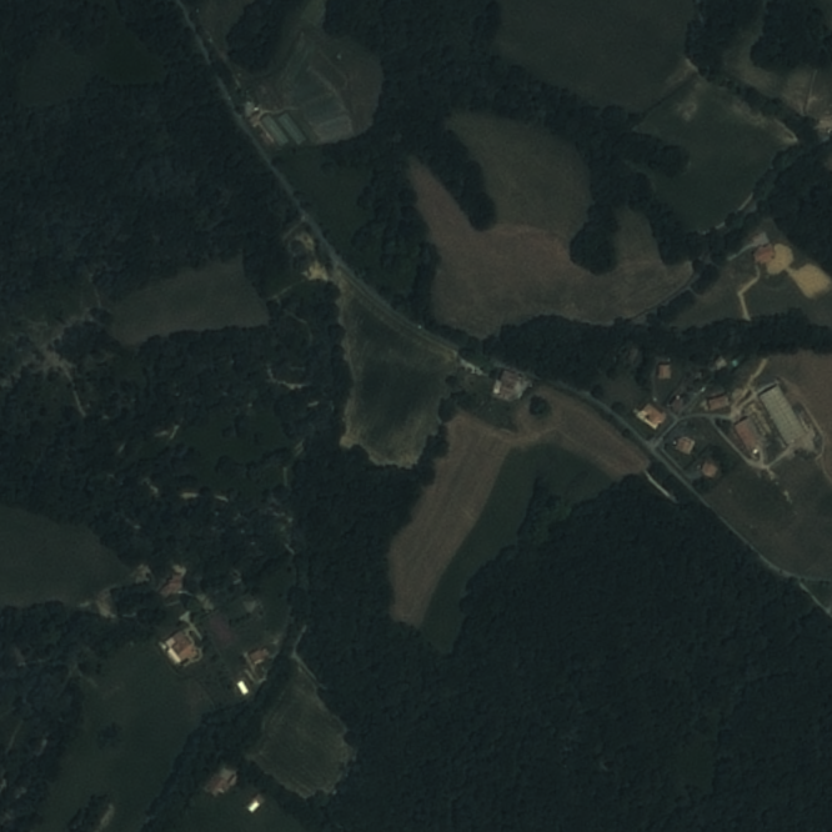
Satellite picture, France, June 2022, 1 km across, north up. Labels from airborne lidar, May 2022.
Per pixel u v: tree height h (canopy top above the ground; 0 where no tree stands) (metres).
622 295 0
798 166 18
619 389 0
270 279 13
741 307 0
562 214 0
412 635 18
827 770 19
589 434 0
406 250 21
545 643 17
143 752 0
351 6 23
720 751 14
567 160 0
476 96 17
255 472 18
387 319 0
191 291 0
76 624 20
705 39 20
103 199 12
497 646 26
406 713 26
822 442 0
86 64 0
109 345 22
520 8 0
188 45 13
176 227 17
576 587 19
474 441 0
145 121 9
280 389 15
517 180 0
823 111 0
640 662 20
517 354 23
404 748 26
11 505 7
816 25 23
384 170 18
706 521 21
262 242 16
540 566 28
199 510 24
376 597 21
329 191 0
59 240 25
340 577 22
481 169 13
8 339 0
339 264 0
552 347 24
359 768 15
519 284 0
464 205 15
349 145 16
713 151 0
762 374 0
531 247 0
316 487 21
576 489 0
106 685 0
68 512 9
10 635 25
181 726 0
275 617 0
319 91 0
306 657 13
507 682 20
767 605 7
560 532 25
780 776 14
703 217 0
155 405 14
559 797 22
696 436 0
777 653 25
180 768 20
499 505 0
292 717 0
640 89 0
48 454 17
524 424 0
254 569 21
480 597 24
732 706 16
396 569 0
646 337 20
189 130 10
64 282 10
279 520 19
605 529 24
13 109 14
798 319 10
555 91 19
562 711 22
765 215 14
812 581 0
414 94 19
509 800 23
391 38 8
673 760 13
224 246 14
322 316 7
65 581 0
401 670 26
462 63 10
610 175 15
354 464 25
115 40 0
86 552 0
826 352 18
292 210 11
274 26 19
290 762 0
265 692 9
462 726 17
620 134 19
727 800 20
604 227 19
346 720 15
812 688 23
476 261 0
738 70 0
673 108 0
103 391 8
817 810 25
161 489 11
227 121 17
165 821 16
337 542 25
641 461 0
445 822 16
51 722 22
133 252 25
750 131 0
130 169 13
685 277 0
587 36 0
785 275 0
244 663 7
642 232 0
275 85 0
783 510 0
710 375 7
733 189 0
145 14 19
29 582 0
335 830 22
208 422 16
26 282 15
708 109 0
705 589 21
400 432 0
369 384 0
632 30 0
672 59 0
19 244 14
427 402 0
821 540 0
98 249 14
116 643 22
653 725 17
